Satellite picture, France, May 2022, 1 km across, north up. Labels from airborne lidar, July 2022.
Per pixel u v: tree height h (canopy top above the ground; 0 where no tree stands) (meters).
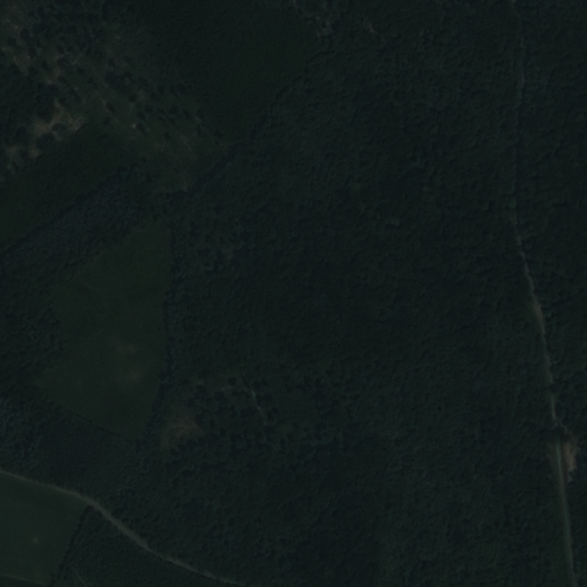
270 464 27
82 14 23
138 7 11
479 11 28
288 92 19
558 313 32
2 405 37
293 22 16
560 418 19
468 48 24
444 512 24
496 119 24
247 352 24
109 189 30
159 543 18
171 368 21
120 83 32
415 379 27
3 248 8
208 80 15
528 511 27
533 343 24
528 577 31
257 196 25
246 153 25
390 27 30
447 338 24
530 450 20
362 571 27
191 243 21
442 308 25
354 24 27
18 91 25
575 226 32
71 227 23
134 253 0
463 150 22
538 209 29
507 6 27
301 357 30
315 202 23
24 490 0
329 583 24
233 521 23
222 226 25
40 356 25
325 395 21
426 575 24
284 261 28
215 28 14
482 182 20
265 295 29
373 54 22
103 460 16
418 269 26
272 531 27
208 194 25
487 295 27
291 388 22
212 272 24
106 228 25
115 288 0
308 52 15
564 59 25
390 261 21
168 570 13
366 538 29
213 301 24
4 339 27
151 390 0
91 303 0
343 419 7
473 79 26
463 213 26
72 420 19
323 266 26
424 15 28
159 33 14
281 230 26
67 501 0
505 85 23
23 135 28
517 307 29
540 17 24
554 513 12
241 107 16
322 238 29
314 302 29
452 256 32
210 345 23
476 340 26
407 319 31
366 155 27
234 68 15
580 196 28
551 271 14
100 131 8
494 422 28
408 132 28
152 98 30
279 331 31
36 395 26
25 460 28
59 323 24
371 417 24
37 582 0
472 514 19
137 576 14
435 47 22
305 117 28
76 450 21
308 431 10
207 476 22
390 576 21
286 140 22
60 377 0
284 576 28
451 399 24
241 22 13
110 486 22
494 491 28
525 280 27
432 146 13
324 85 25
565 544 11
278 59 16
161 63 7
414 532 24
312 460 27
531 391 24
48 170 6
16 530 0
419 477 21
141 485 26
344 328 32
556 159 30
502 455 28
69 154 7
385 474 26
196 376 19
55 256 26
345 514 33
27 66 0
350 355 33
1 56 28
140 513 21
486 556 22
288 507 30
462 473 29
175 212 28
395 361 23
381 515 17
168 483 21
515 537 23
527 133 29
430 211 29
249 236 30
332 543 30
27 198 7
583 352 24
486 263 29
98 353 0
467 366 23
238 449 20
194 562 24
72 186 7
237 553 24
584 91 28
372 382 28
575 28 25
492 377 26
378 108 28
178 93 27
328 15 26
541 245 28
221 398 25
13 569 0
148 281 0
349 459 31
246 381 22
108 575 14
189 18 13
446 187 24
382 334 28
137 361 0
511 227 26
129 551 15
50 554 0
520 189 23
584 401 24
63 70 31
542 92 27
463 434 25
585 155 27
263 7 15
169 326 24
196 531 21
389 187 28
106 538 15
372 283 29
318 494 25
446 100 22
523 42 19
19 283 29
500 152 24
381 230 32
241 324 28
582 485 15
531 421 20
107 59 0
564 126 29
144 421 0
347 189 30
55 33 34
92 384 0
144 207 26
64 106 28
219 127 13
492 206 26
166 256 0
